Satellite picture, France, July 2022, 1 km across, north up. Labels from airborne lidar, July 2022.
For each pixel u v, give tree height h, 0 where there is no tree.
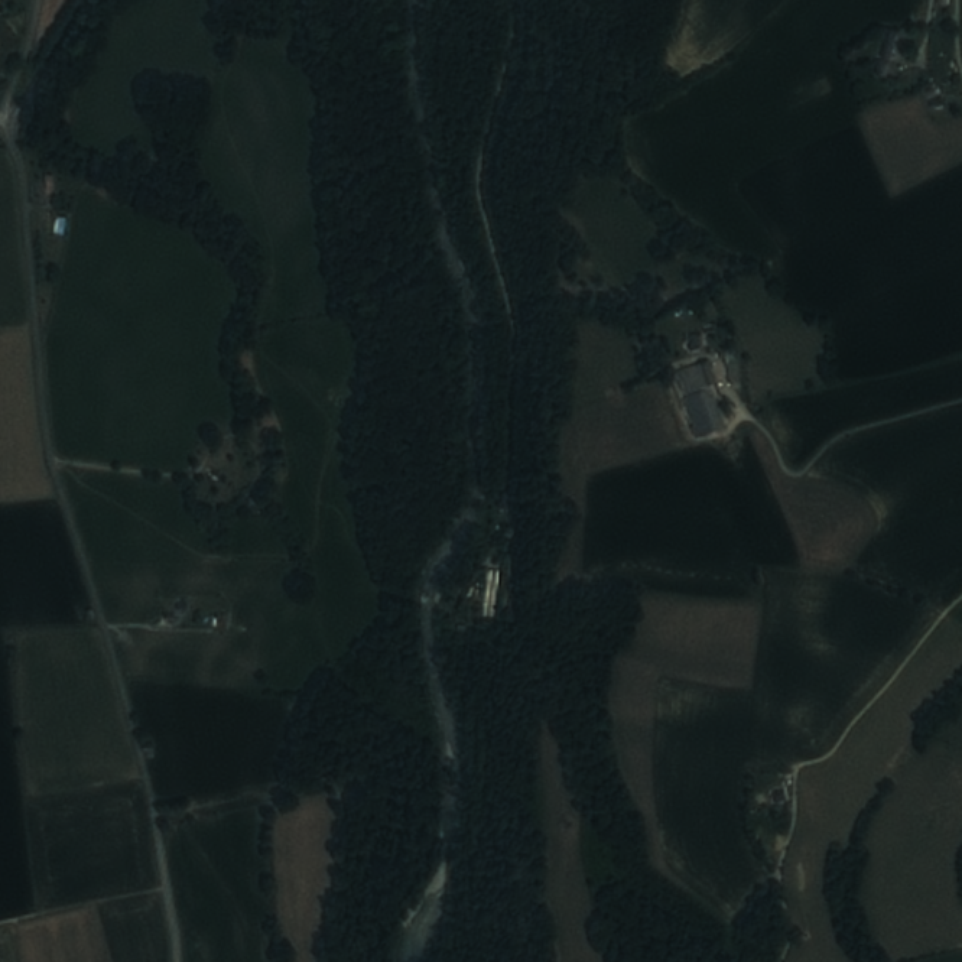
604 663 18
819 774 0
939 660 0
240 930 0
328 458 0
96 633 0
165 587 0
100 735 0
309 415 0
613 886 16
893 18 0
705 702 0
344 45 30
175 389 0
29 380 0
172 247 0
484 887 28
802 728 0
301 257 0
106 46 16
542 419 30
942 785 0
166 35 0
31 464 0
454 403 23
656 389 0
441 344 29
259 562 0
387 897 31
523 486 28
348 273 30
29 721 0
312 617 0
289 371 0
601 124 22
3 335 0
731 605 0
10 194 0
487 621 9
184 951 0
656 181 0
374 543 28
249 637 0
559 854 0
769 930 26
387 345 31
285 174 0
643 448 0
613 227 0
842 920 17
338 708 22
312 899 0
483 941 17
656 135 0
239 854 0
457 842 20
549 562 20
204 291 0
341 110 27
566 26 14
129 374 0
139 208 22
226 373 16
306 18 23
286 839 0
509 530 16
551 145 23
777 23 0
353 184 27
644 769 0
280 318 0
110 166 22
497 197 20
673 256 14
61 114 8
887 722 0
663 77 22
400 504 26
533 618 19
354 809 26
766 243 0
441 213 9
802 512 0
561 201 17
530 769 17
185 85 32
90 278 0
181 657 0
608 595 29
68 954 0
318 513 0
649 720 0
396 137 26
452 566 21
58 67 22
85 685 0
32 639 0
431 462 30
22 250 0
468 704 22
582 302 15
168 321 0
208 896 0
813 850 0
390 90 25
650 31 20
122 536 0
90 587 0
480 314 22
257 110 0
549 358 25
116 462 8
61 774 0
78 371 0
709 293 10
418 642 29
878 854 0
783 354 0
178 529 0
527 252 21
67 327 0
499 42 17
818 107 0
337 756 18
